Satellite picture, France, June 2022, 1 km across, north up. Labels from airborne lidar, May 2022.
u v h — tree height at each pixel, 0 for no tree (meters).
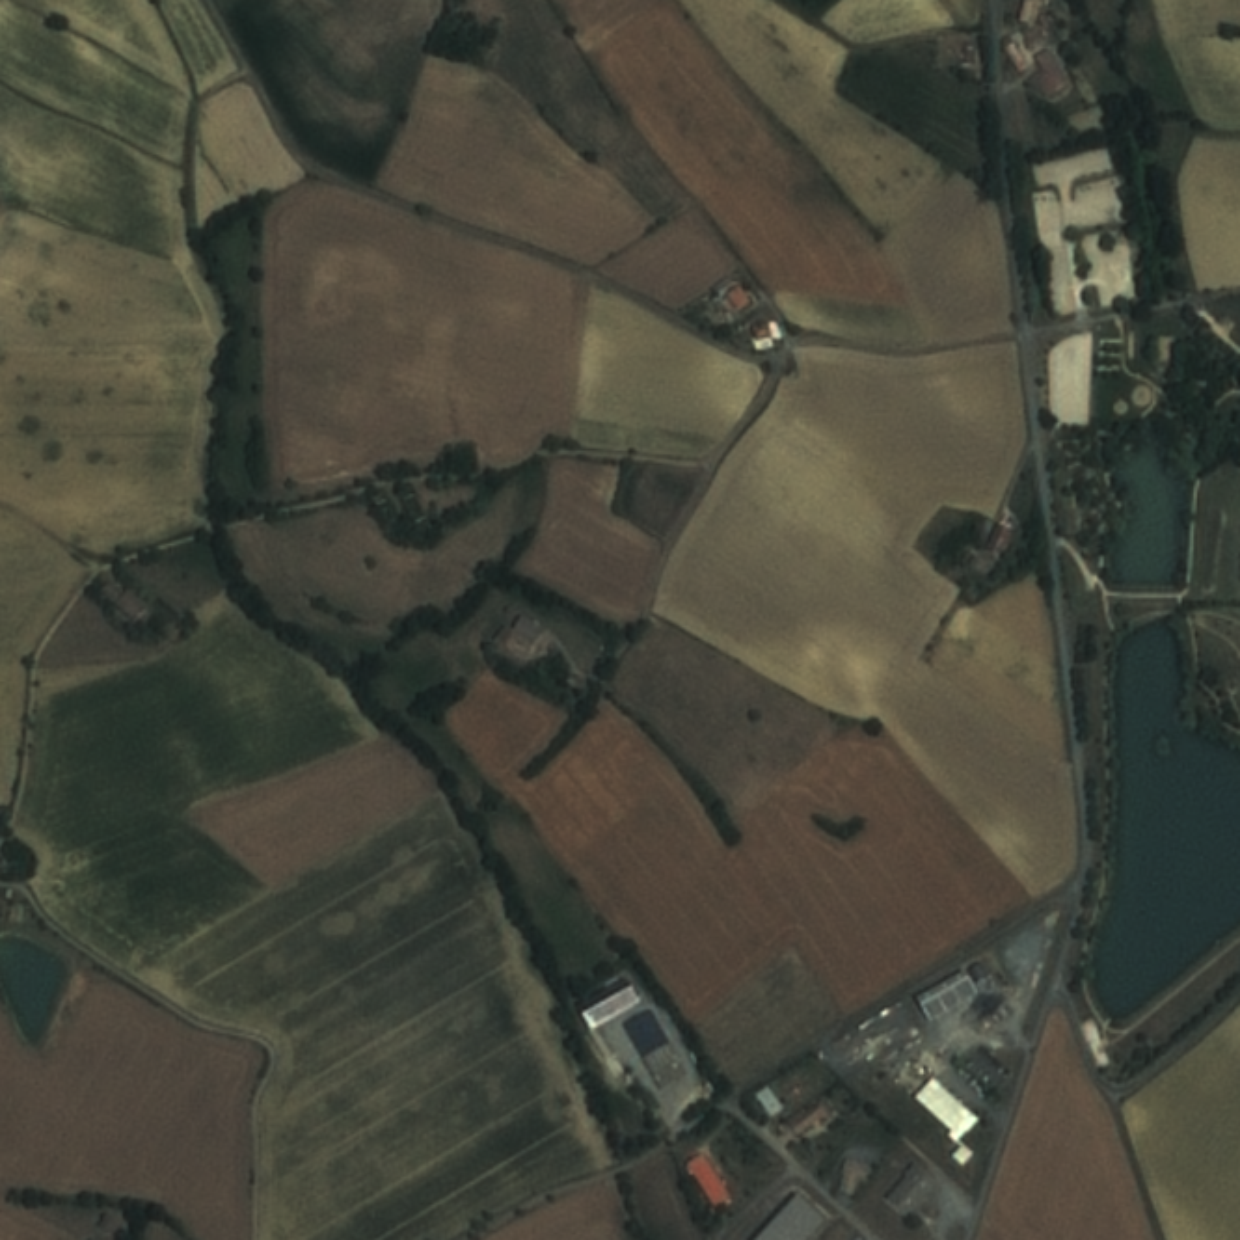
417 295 0
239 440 0
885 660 0
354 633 0
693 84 0
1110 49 21
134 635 6
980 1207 0
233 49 0
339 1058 0
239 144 0
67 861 0
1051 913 0
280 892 0
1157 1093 0
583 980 15
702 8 0
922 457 0
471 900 0
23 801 0
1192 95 0
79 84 0
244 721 0
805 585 0
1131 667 0
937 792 0
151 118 0
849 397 0
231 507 14
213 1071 0
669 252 0
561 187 0
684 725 0
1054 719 0
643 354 0
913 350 0
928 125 0
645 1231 11
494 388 0
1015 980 0
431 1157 0
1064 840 0
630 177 0
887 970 0
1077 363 0
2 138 0
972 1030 0
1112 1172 0
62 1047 0
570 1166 0
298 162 0
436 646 0
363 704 17
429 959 0
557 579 0
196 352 0
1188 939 0
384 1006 0
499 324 0
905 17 0
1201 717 9
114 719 0
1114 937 0
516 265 0
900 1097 0
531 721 0
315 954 0
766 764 0
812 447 0
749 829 0
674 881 0
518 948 0
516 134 0
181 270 0
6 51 0
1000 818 0
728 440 0
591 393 0
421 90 0
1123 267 0
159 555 8
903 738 0
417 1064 0
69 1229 0
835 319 0
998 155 12
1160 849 0
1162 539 0
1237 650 0
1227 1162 0
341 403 0
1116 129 18
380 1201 0
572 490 0
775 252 0
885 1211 0
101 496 0
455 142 0
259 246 7
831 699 0
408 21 0
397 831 0
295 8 0
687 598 0
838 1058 0
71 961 0
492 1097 0
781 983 0
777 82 0
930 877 0
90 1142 0
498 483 15
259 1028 0
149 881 0
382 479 15
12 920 0
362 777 0
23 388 0
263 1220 0
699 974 0
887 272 0
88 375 0
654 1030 0
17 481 0
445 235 0
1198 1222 0
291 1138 0
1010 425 0
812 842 0
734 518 0
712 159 0
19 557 0
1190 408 14
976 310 0
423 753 16
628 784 0
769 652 0
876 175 0
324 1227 0
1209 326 9
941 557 7
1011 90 0
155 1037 0
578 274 0
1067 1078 0
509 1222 0
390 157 0
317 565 0
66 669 0
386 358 0
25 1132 0
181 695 0
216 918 0
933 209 0
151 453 0
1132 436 12
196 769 0
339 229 0
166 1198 0
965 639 0
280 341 0
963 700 0
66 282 0
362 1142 0
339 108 0
